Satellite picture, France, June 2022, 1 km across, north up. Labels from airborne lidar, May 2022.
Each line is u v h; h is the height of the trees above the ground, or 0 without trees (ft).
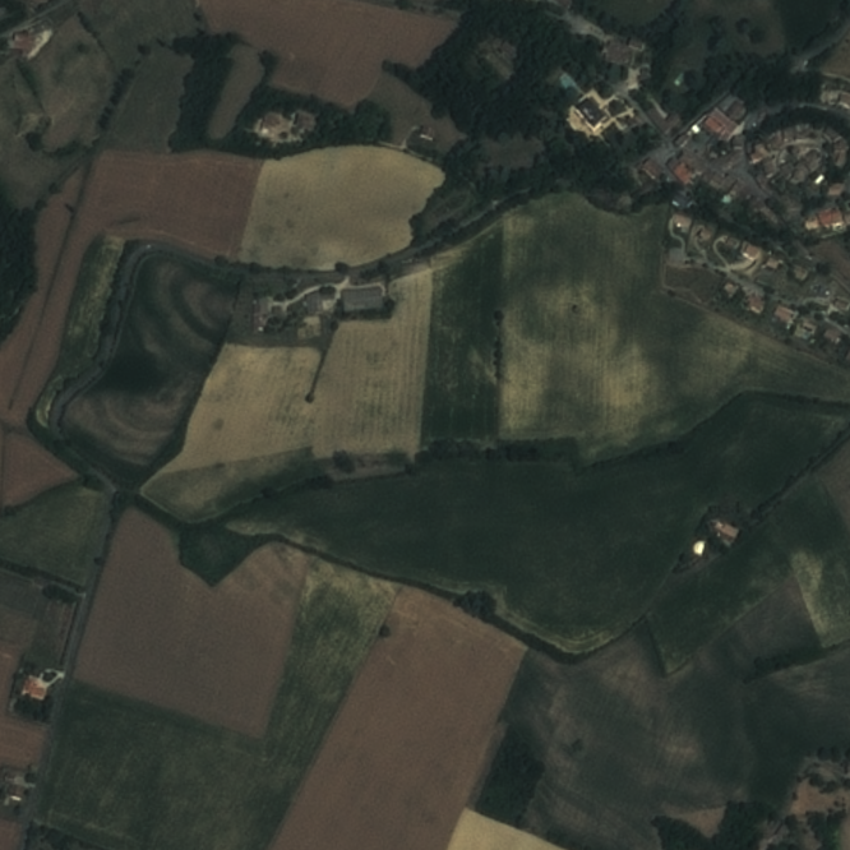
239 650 0
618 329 0
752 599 0
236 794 0
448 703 0
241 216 0
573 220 0
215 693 0
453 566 0
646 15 0
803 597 0
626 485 0
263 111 45
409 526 0
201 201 0
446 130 0
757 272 0
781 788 0
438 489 0
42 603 0
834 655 0
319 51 0
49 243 0
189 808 0
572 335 0
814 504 0
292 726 0
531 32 53
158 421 0
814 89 27
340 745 0
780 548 0
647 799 0
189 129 26
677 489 0
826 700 0
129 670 0
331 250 0
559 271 0
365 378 0
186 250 0
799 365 0
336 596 0
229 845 0
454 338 0
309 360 0
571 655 22
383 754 0
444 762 0
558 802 0
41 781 0
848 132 40
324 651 0
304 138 29
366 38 0
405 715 0
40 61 0
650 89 58
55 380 0
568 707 0
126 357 0
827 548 0
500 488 0
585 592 0
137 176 0
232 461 0
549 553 0
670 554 0
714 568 0
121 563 0
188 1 0
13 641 0
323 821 0
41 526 0
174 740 0
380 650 0
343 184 0
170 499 0
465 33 72
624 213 23
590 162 83
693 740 0
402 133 0
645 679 0
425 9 37
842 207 31
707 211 32
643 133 61
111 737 0
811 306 24
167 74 0
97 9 0
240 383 0
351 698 0
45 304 0
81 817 0
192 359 0
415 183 0
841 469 0
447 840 0
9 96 0
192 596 0
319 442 0
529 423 0
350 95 0
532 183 56
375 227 0
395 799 0
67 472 0
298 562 0
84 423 0
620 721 0
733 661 0
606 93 54
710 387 0
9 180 0
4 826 0
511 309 0
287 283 31
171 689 0
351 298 0
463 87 60
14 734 0
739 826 36
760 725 0
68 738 0
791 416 0
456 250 0
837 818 31
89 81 0
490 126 63
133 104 0
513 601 0
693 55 0
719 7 0
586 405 0
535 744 0
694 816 0
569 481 0
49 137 0
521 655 0
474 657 0
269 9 0
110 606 0
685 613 0
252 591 0
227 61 40
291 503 0
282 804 0
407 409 0
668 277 0
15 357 0
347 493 0
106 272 0
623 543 0
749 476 0
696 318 0
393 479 0
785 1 0
